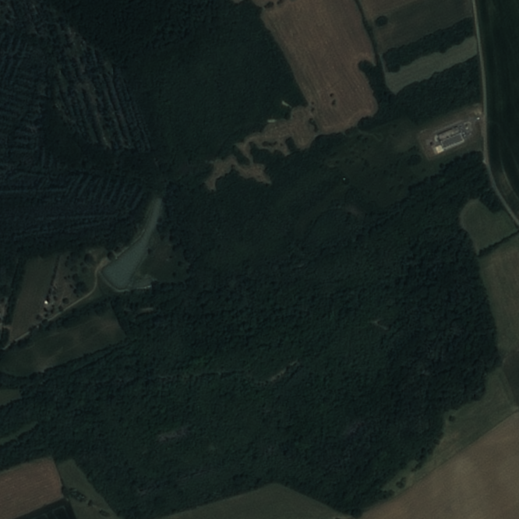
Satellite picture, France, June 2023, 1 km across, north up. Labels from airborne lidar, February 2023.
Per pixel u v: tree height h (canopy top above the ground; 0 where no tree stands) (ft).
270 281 24
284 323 49
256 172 0
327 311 26
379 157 0
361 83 0
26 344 49
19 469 0
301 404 56
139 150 83
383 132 0
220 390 31
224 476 18
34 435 53
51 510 0
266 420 35
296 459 27
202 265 57
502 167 0
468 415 0
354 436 42
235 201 18
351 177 0
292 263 28
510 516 0
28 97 97
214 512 0
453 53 0
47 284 0
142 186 50
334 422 31
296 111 0
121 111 63
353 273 18
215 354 40
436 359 59
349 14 0
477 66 20
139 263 0
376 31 0
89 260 52
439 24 0
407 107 19
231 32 28
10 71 66
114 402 46
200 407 25
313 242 24
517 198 0
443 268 85
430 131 0
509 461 0
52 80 61
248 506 0
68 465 0
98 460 23
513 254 0
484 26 0
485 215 0
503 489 0
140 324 27
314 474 28
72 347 0
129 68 73
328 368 41
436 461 0
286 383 31
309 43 0
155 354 26
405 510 0
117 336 0
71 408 23
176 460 22
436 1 0
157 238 0
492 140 0
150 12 78
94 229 54
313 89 0
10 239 46
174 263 0
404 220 21
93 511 0
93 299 0
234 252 17
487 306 60
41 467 0
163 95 19
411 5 0
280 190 19
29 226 53
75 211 56
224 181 19
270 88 22
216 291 22
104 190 84
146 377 43
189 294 51
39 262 0
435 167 0
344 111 0
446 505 0
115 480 35
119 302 52
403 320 54
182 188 53
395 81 0
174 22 78
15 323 0
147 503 26
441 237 24
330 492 18
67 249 62
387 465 24
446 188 35
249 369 20
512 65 0
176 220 57
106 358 41
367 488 25
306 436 30
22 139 77
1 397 0
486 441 0
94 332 0
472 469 0
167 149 67
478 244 0
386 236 22
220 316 27
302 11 0
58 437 35
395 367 52
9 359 0
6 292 58
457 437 0
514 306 0
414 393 59
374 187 0
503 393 0
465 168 31
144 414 25
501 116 0
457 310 79
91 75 61
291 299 25
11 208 53
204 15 65
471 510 0
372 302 30
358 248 29
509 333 0
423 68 0
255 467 21
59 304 0
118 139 60
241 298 41
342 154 0
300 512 0
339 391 24
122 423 52
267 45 22
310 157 18
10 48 58
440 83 20
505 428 0
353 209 0
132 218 70
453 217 24
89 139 79
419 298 47
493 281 0
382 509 0
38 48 80
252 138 0
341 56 0
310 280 20
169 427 26
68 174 55
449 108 23
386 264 21
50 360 0
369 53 0
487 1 0
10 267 68
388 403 29
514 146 0
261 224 17
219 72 24
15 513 0
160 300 55
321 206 0
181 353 20
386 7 0
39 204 55
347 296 45
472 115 0
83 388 26
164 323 61
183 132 21
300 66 0
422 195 51
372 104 0
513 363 0
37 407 50
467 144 0
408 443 20
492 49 0
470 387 45
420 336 67
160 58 49
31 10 52
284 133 0
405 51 20
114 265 0
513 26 0
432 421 35
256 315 33
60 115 56
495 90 0
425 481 0
